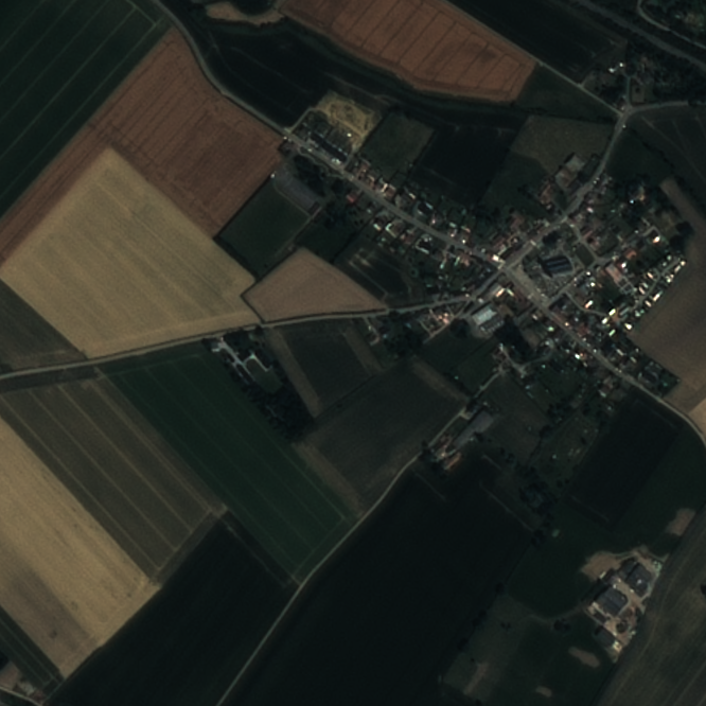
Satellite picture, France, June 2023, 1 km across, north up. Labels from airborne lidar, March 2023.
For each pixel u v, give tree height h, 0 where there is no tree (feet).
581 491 0
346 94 0
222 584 0
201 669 0
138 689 0
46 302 0
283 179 0
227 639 0
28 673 0
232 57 0
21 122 0
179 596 0
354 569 0
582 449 0
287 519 0
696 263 0
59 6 0
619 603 0
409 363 0
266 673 0
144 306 0
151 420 0
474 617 0
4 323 0
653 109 0
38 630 0
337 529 0
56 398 0
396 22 0
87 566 0
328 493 0
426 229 0
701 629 0
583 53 0
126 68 0
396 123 0
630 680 0
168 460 0
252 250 0
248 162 0
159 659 0
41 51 0
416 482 0
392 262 0
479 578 0
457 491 0
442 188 0
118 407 0
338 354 0
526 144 0
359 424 0
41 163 0
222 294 0
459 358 0
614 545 0
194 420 0
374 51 0
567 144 0
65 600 0
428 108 0
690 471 0
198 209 0
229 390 0
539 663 0
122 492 0
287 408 53
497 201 0
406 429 0
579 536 0
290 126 0
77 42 0
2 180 0
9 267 0
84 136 0
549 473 0
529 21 0
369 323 0
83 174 0
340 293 0
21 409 0
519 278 0
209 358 0
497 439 0
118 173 0
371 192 0
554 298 0
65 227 0
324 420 0
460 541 0
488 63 0
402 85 0
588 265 0
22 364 0
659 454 0
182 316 0
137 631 0
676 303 0
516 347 55
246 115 0
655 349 0
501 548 0
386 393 0
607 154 0
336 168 0
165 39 0
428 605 0
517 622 0
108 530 0
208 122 0
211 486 0
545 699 0
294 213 0
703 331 0
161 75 0
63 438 0
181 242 0
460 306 0
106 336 0
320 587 0
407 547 0
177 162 0
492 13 0
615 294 0
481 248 0
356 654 0
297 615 0
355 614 0
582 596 0
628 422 0
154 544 0
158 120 0
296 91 0
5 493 0
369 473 0
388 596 0
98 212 0
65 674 0
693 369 0
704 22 0
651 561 0
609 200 0
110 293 0
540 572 0
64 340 0
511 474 0
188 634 0
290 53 0
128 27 0
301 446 0
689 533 0
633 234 0
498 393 0
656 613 0
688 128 0
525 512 0
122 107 0
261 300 0
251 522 0
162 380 0
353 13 0
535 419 0
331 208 25
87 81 0
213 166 0
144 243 0
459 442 0
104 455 0
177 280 0
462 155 0
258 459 0
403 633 0
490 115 0
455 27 0
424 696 0
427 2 0
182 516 0
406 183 22
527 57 0
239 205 0
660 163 0
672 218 0
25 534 0
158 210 0
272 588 0
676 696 0
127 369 0
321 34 0
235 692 0
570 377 0
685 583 0
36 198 0
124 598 0
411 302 0
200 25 0
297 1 0
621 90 38
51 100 0
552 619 0
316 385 0
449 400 0
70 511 0
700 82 42
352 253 0
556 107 0
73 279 0
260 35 0
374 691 0
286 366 0
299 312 0
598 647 0
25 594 0
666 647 0
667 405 0
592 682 0
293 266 0
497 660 0
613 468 0
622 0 0
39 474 0
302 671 0
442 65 0
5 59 0
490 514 0
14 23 0
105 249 0
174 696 0
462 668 0
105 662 0
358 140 0
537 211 0
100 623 0
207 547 0
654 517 0
